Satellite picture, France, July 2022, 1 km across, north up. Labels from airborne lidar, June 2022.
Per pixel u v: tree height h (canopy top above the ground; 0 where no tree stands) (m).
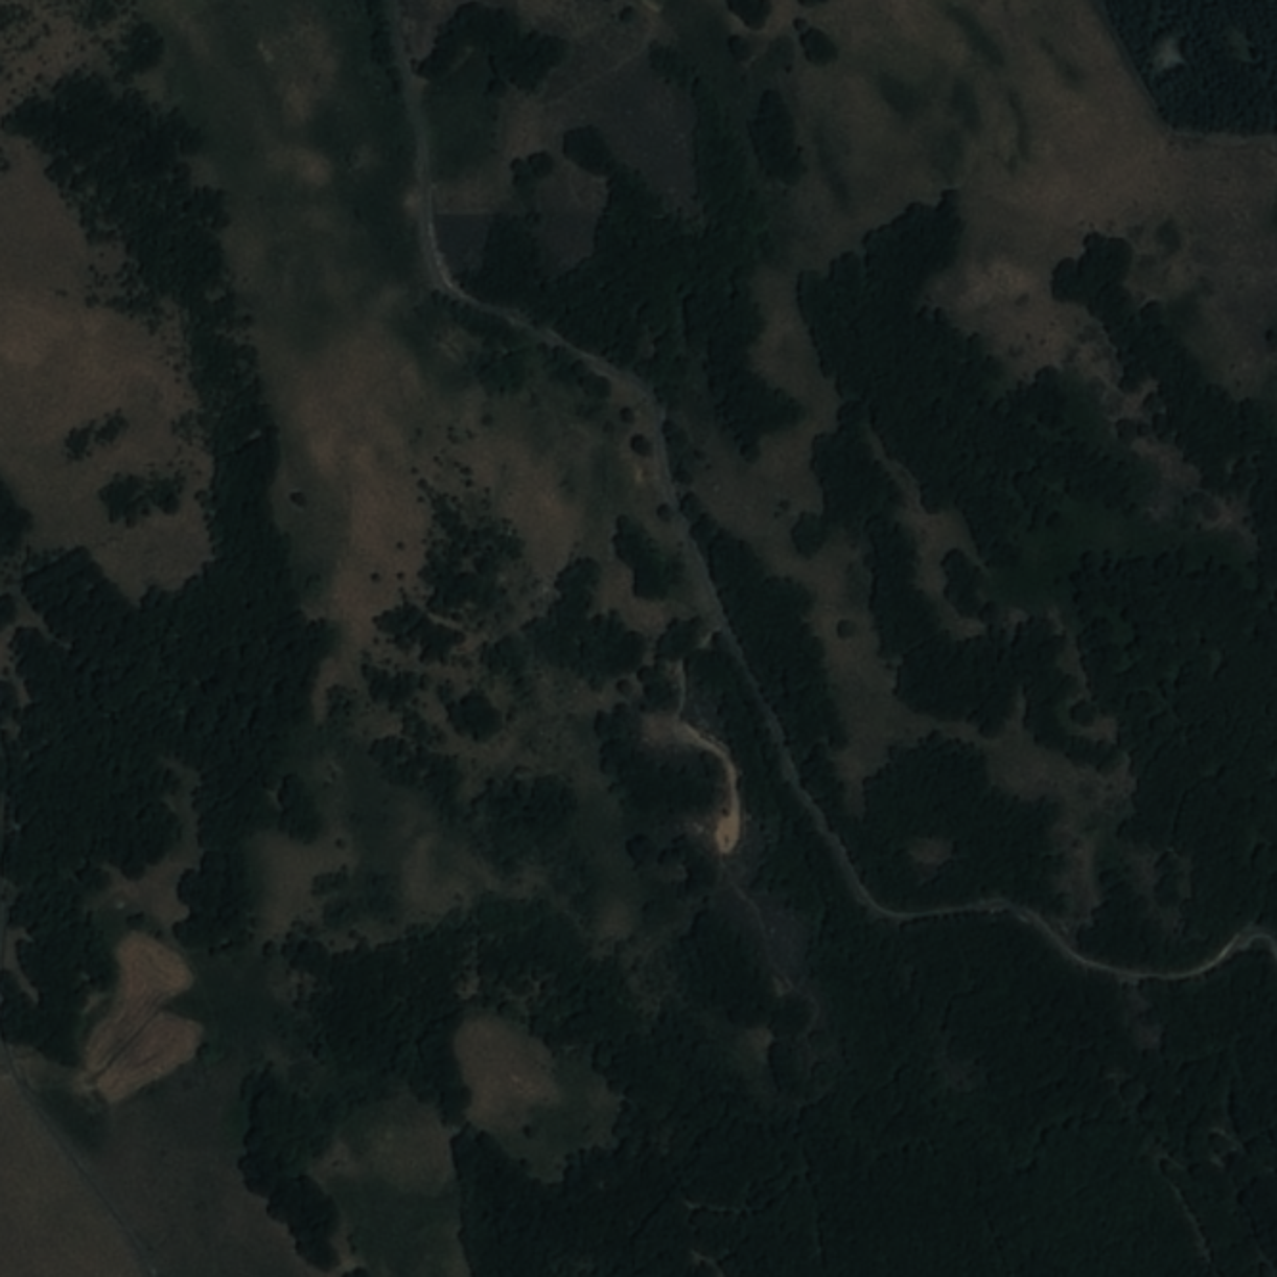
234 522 13
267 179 0
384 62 11
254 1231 0
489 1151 16
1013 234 0
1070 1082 11
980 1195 11
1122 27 12
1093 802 0
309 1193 18
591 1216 10
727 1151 15
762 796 10
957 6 0
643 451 14
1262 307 0
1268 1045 16
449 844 0
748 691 12
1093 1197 9
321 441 0
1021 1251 7
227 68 0
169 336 0
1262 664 14
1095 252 14
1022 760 0
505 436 0
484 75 0
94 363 0
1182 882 7
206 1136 0
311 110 0
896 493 9
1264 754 11
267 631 12
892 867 10
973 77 0
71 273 0
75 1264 0
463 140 0
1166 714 8
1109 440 0
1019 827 11
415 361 0
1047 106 0
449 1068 15
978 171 0
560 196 0
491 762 0
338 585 0
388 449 0
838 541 0
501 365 8
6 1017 10
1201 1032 14
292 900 0
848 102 0
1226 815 11
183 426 6
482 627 8
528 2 0
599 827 0
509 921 10
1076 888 0
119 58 6
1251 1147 16
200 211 7
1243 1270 17
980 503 13
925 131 0
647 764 11
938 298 0
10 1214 0
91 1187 0
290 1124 14
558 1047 12
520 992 8
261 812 9
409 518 0
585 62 0
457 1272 0
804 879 13
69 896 13
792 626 10
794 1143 10
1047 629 11
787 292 0
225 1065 0
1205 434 11
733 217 13
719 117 12
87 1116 0
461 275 6
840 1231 14
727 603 11
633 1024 9
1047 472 11
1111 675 11
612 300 14
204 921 13
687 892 12
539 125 0
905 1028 9
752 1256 12
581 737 0
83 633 13
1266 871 14
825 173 0
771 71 0
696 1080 8
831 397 0
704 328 10
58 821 14
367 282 0
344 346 0
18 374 0
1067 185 0
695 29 0
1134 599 13
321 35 0
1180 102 16
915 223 11
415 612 13
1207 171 0
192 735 13
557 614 10
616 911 0
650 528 0
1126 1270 11
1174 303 0
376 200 0
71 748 12
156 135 6
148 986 0
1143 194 0
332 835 0
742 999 13
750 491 0
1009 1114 11
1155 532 0
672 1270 13
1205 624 11
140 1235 0
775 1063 12
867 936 12
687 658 10
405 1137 0
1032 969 17
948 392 9
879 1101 12
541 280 8
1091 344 0
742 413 12
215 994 0
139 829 13
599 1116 0
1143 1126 12
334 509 0
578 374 12
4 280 0
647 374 10
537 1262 6
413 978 6
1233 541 0
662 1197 8
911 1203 13
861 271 10
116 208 7
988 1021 12
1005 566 11
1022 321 0
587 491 0
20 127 7
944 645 12
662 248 13
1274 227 0
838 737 10
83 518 0
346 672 0
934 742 12
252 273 0
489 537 9
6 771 11
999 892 12
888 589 11
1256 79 21
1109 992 12
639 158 0
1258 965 14
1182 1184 16
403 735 7
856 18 0
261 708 17
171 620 14
